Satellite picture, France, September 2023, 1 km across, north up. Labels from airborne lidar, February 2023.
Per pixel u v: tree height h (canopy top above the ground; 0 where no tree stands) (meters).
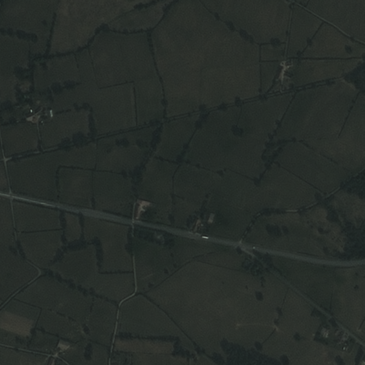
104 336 0
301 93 0
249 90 0
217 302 0
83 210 0
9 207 0
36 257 0
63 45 0
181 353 19
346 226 7
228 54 0
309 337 0
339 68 0
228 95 0
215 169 0
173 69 0
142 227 7
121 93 0
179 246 0
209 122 0
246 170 0
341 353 0
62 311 0
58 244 0
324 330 0
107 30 15
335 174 0
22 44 0
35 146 0
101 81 0
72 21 0
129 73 0
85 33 0
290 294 0
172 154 0
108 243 0
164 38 0
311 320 0
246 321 0
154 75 0
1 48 0
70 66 0
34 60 12
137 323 0
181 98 0
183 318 0
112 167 0
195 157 0
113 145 0
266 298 0
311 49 0
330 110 0
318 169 0
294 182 0
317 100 0
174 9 0
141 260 0
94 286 0
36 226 0
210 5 0
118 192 0
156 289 0
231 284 0
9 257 0
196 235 0
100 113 0
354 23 0
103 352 0
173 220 16
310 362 0
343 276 0
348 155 0
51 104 0
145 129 0
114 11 0
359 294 0
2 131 0
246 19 0
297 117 0
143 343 0
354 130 0
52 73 0
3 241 0
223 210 0
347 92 0
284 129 0
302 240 0
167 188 0
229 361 17
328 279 0
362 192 6
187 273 0
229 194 0
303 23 0
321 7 0
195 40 0
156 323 0
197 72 0
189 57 0
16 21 0
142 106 0
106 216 0
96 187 0
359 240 14
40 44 0
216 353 0
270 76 0
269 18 0
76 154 0
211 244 0
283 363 9
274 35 0
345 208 0
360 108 0
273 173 0
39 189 0
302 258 0
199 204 0
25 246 0
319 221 0
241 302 0
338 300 0
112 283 0
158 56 0
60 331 0
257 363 21
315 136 0
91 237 0
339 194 0
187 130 0
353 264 0
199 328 0
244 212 0
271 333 0
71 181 0
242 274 0
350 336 0
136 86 0
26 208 0
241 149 0
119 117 0
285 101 0
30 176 0
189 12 0
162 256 0
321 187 0
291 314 0
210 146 0
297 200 0
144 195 0
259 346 15
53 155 0
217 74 0
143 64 0
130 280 0
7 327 0
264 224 0
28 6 0
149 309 0
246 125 0
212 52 0
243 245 0
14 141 0
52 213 0
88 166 0
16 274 0
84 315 0
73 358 0
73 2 0
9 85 0
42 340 0
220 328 0
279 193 0
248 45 0
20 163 0
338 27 0
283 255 0
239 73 0
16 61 0
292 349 0
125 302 0
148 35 7
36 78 0
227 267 0
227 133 0
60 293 0
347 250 14
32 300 0
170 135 0
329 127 0
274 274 0
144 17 0
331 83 6
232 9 0
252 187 0
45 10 0
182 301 0
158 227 0
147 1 0
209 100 0
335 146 0
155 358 0
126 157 0
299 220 0
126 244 0
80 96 0
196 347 6
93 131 19
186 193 0
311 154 0
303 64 0
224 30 0
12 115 0
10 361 0
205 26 0
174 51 0
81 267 0
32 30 0
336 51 0
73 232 0
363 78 16
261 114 0
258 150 0
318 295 0
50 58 11
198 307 0
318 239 0
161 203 0
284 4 0
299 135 0
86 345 0
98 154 0
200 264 0
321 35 0
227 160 0
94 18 0
